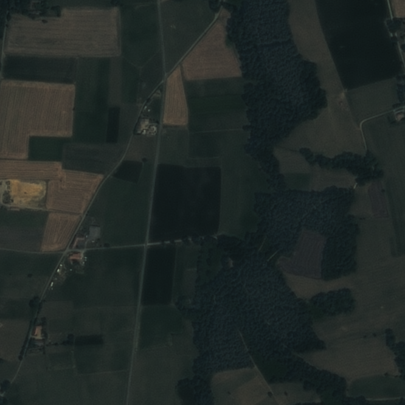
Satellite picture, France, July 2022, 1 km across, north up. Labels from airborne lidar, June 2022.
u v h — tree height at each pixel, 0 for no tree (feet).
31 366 0
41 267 0
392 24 73
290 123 83
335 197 75
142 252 0
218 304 34
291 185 0
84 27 0
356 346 0
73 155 0
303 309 66
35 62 0
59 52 0
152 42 0
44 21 19
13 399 0
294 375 72
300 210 76
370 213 0
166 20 0
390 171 0
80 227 0
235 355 52
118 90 0
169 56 0
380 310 0
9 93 0
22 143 0
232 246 60
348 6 0
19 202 0
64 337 0
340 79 0
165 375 0
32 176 0
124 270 0
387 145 0
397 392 0
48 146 0
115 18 0
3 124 0
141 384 0
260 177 0
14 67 0
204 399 73
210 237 42
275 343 80
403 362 66
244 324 59
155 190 0
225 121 0
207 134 0
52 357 0
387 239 0
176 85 0
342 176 0
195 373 36
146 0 0
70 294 0
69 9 0
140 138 0
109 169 0
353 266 73
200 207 0
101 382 0
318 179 0
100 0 0
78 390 0
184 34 0
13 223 0
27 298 0
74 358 0
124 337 0
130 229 0
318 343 77
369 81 0
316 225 72
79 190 0
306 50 0
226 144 0
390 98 0
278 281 66
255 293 71
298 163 0
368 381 0
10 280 0
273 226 86
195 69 0
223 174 0
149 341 0
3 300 0
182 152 0
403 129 0
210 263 52
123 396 0
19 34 0
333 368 0
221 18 0
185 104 0
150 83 0
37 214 0
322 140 0
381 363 0
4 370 0
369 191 0
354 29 0
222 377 0
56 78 0
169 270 0
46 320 24
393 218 0
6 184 0
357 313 0
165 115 0
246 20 69
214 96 0
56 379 0
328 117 0
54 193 0
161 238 0
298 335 88
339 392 57
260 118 70
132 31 0
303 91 79
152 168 0
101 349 0
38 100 0
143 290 0
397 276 0
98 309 0
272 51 61
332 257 53
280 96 41
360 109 0
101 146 0
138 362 0
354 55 0
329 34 0
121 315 0
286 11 57
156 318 0
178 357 0
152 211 0
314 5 0
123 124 0
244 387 0
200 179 0
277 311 72
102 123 0
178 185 0
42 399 0
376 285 0
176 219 0
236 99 0
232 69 0
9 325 0
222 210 0
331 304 84
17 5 55
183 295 0
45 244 0
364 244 0
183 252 0
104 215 0
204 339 63
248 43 97
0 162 0
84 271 0
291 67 72
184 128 0
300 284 0
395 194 0
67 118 0
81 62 0
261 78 74
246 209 0
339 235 86
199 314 80
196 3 0
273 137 84
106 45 0
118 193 0
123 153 0
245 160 0
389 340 62
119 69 0
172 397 0
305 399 0
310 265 0
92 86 0
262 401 0
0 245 0
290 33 67
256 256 92
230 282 65
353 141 0
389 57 0
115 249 0
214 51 0
